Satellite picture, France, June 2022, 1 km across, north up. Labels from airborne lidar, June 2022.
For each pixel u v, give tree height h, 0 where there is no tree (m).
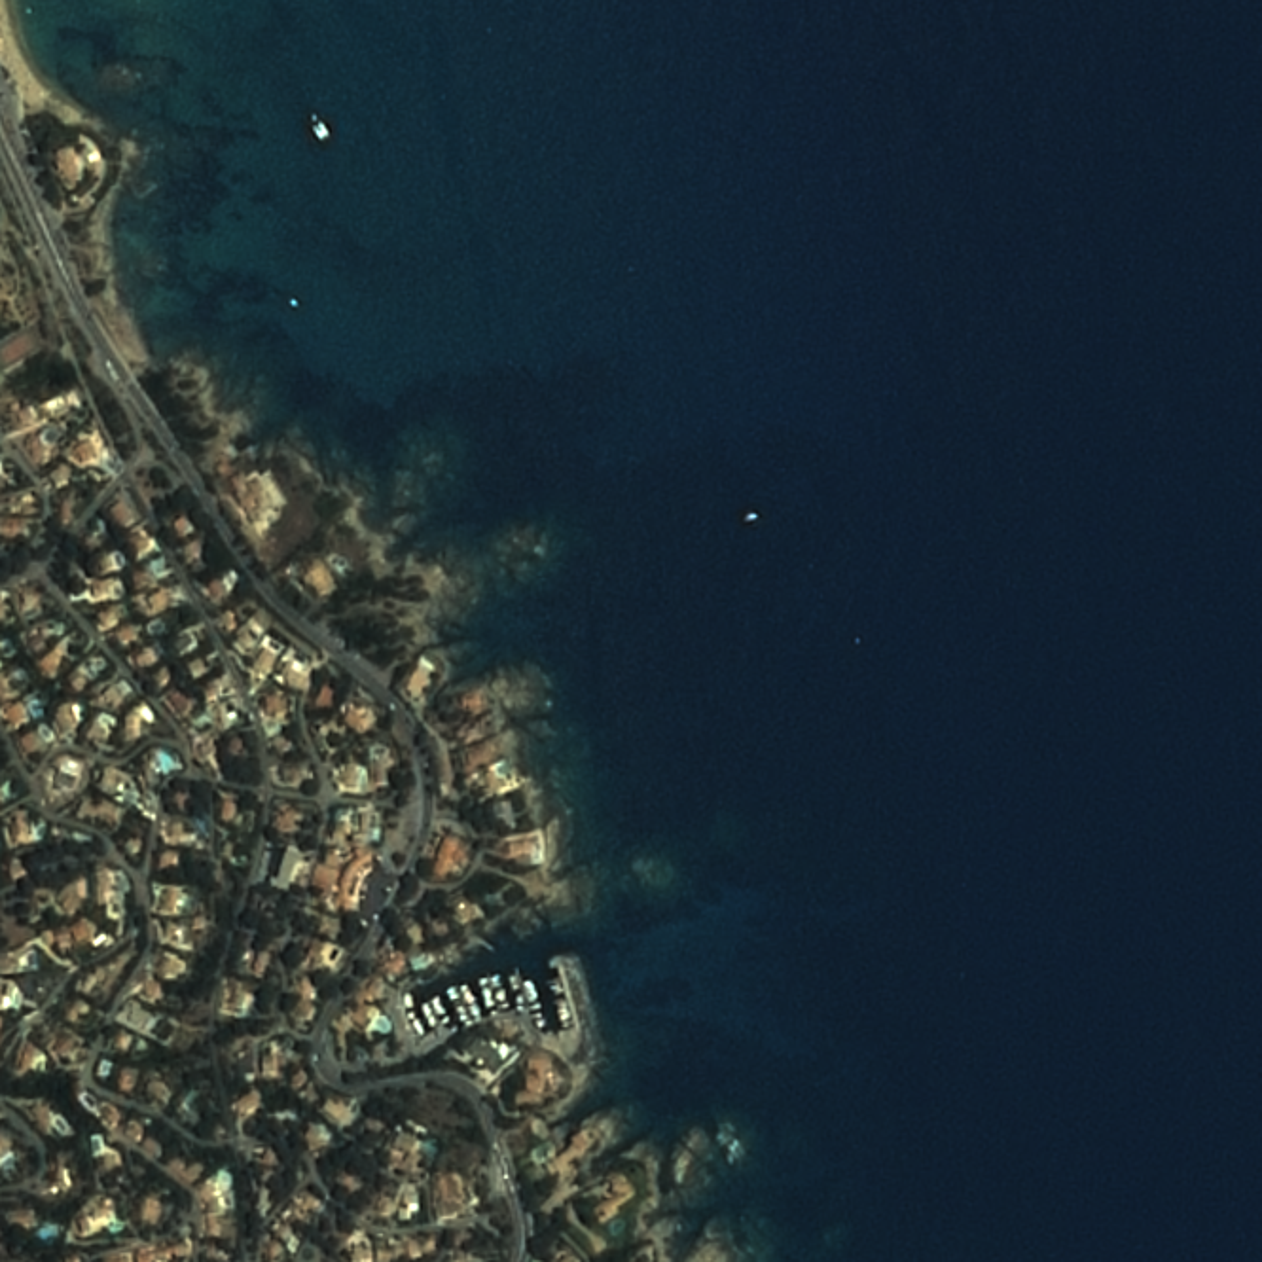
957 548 0
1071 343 0
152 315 0
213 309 0
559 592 0
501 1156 0
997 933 0
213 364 0
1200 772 0
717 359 0
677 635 0
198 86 0
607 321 0
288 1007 15
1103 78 0
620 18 0
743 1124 0
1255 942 0
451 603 0
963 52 0
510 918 0
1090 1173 0
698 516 0
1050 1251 0
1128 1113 0
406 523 0
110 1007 7
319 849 7
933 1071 0
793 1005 0
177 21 0
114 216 0
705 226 0
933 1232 0
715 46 0
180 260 0
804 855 0
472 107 0
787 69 0
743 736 0
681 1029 0
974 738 0
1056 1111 0
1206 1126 0
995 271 0
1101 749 0
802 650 0
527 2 0
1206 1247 0
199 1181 7
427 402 0
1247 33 0
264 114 0
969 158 0
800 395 0
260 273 0
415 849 0
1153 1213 0
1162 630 0
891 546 0
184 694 13
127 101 0
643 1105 0
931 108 0
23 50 0
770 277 0
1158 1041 0
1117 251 0
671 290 0
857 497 0
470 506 0
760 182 0
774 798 0
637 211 0
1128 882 0
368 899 0
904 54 0
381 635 6
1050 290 0
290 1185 13
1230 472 0
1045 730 0
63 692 8
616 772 0
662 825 0
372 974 6
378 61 0
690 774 0
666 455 0
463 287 0
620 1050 0
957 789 0
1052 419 0
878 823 0
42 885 13
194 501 7
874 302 0
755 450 0
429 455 0
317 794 9
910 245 0
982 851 0
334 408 0
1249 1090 0
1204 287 0
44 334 8
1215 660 0
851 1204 0
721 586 0
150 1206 0
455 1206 0
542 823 0
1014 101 0
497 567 0
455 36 0
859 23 0
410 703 6
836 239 0
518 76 0
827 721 0
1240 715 0
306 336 0
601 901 0
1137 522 0
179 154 0
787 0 0
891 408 0
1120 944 0
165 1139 7
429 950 10
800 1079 0
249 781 10
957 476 0
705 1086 0
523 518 0
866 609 0
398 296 0
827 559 0
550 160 0
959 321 0
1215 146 0
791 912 0
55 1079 7
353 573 0
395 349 0
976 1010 0
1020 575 0
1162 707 0
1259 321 0
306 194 0
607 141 0
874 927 0
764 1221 0
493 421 0
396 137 0
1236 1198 0
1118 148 0
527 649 0
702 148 0
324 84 0
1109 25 0
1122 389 0
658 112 0
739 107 0
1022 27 0
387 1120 10
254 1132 9
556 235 0
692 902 0
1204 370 0
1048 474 0
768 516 0
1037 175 0
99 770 10
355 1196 12
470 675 0
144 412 0
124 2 0
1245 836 0
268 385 0
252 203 0
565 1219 10
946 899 0
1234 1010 0
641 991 0
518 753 0
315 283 0
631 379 0
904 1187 0
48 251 0
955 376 0
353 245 0
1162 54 0
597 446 0
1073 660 0
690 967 0
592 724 0
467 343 0
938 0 0
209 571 7
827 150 0
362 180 0
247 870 7
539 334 0
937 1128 0
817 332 0
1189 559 0
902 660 0
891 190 0
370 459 0
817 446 0
